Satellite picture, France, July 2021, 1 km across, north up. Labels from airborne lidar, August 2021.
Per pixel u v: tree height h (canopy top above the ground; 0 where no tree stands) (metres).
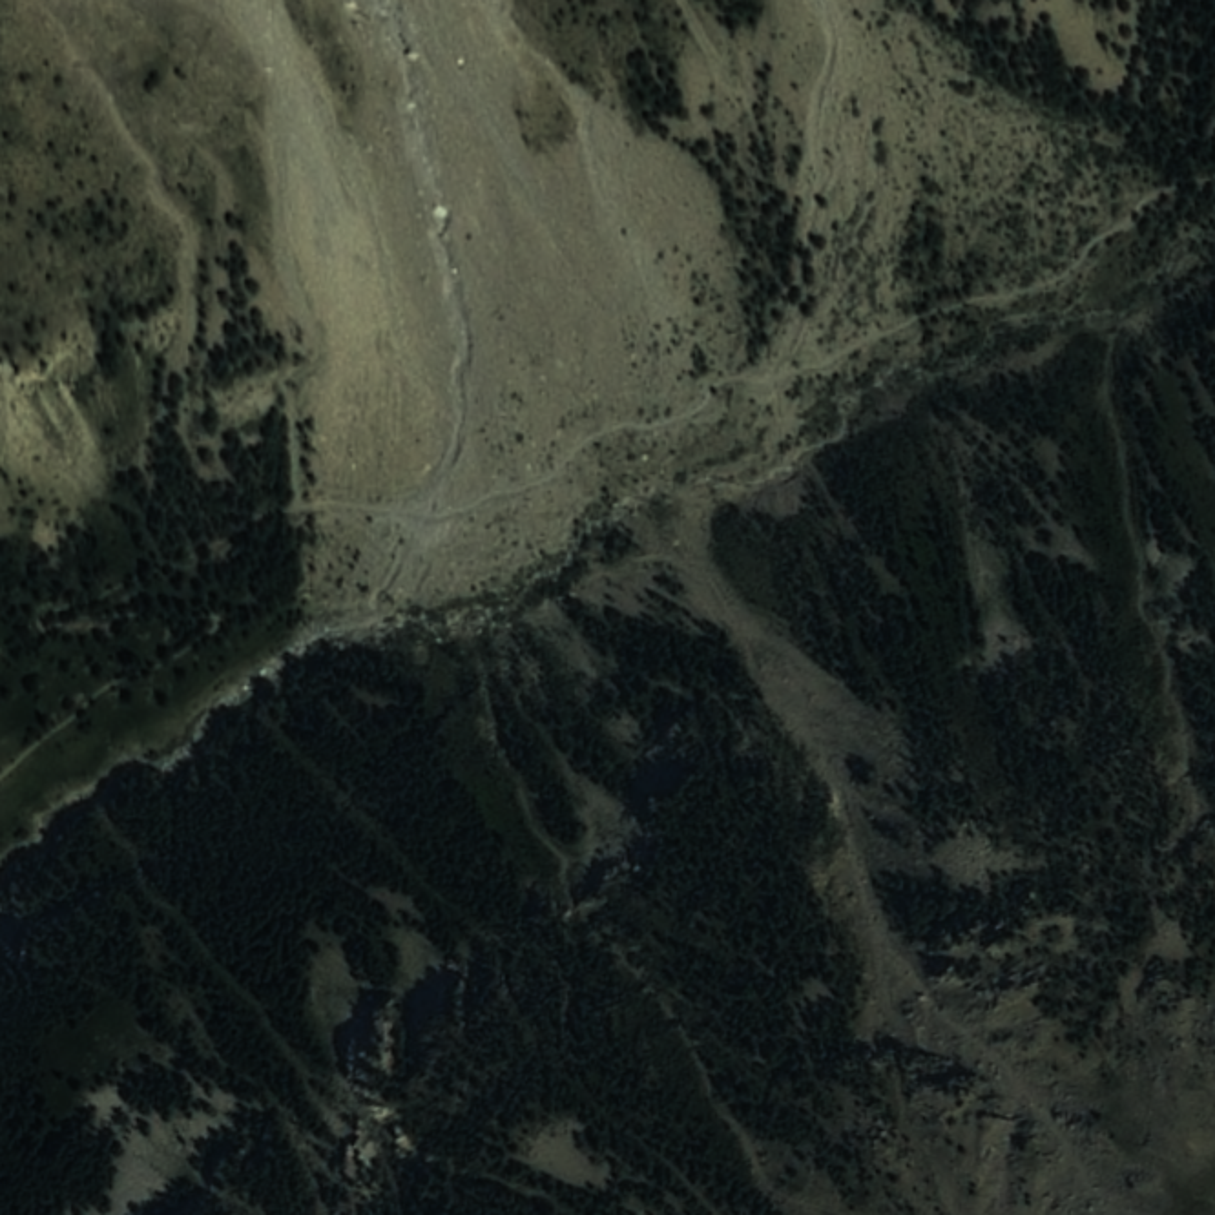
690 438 0
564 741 13
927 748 7
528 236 0
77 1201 19
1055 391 7
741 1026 8
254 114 0
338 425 0
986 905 13
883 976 0
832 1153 7
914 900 14
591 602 0
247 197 0
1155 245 10
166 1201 10
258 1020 9
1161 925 0
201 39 0
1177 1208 0
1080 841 7
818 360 0
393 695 19
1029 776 11
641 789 6
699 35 0
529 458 0
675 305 0
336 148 0
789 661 0
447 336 0
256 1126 12
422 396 0
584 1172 0
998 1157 0
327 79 0
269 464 9
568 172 0
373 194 0
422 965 0
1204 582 13
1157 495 20
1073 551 0
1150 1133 0
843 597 13
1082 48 0
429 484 0
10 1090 12
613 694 7
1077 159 6
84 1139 19
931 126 0
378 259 0
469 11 0
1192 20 18
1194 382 12
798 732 0
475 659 0
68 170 0
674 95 15
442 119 0
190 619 8
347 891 17
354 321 0
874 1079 6
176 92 0
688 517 0
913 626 21
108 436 10
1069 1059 0
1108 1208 0
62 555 11
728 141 7
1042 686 6
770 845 13
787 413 0
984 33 20
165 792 17
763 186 16
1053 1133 0
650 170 0
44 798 0
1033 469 10
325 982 0
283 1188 11
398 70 0
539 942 7
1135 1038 0
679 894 11
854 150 0
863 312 0
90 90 0
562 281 0
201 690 0
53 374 0
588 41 0
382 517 0
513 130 0
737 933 15
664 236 0
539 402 0
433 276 0
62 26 0
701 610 0
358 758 19
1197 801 0
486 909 9
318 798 9
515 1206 14
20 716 0
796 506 0
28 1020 18
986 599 0
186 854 16
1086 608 7
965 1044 0
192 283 0
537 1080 8
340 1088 0
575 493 0
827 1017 13
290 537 17
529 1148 0
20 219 0
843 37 0
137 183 0
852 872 0
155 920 17
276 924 22
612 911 8
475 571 0
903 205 0
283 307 0
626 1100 11
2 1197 18
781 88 0
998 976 0
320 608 0
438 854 14
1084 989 10
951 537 11
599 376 0
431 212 0
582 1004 9
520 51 0
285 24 0
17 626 9
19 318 0
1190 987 12
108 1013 0
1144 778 14
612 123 0
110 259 0
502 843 21
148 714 0
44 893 16
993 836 8
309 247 0
